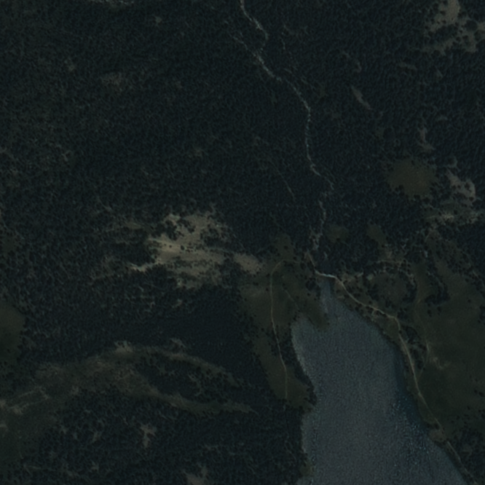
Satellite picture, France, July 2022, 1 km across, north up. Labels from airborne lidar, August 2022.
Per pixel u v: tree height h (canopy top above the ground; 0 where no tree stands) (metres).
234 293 8
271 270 0
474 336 0
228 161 21
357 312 12
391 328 0
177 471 11
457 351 0
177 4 15
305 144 7
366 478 0
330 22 12
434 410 0
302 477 7
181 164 18
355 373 0
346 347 0
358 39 16
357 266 9
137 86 11
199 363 0
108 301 13
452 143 15
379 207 15
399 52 12
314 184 13
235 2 14
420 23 13
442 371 0
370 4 19
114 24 11
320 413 0
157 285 13
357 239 12
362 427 0
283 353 7
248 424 9
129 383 0
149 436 16
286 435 9
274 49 9
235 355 9
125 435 10
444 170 13
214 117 11
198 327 8
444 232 8
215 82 12
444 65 17
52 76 14
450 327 0
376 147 12
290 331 6
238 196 18
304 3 13
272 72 8
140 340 9
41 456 11
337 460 0
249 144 13
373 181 9
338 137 9
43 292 17
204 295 18
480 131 19
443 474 0
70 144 13
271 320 0
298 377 7
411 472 0
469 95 19
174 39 11
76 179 16
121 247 20
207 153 10
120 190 16
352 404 0
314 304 0
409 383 0
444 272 0
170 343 8
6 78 8
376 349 0
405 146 13
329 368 0
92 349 6
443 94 16
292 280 0
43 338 18
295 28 12
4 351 0
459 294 0
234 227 12
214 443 14
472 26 14
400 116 14
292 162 12
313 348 0
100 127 7
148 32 16
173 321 12
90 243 12
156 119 17
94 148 10
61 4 8
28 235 12
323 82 12
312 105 11
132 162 7
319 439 0
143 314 16
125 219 9
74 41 15
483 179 12
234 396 13
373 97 23
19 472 14
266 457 16
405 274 7
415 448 0
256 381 11
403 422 0
